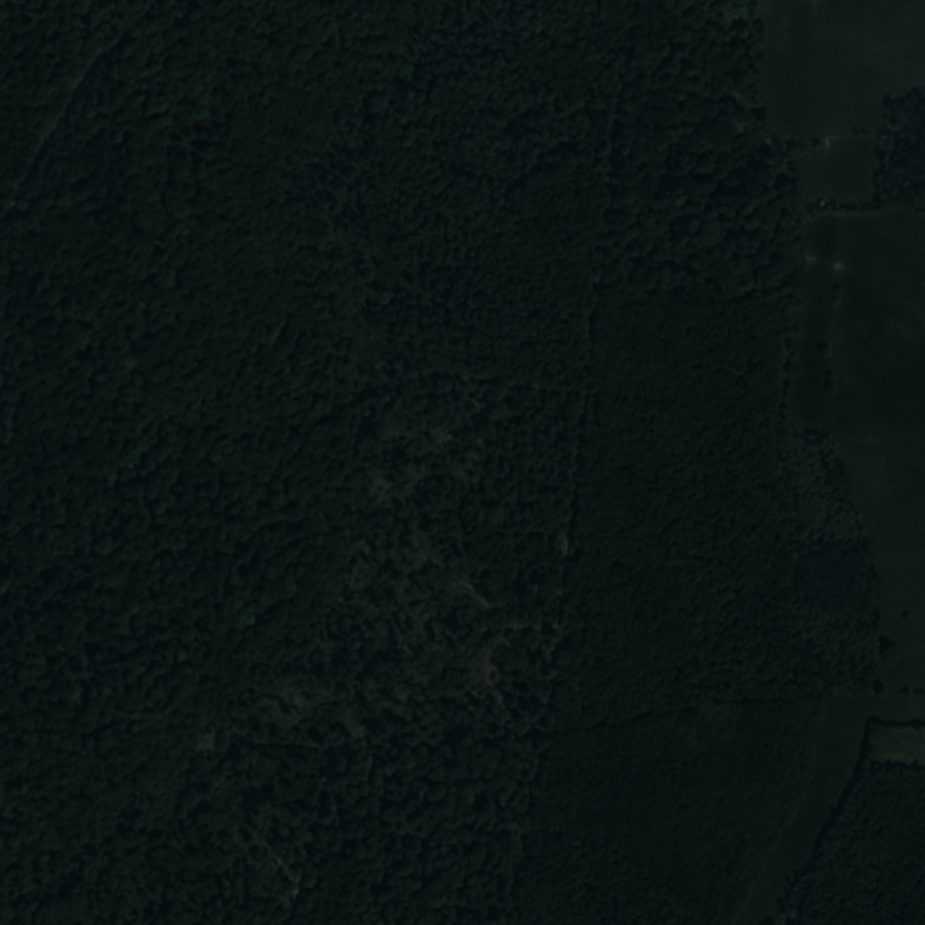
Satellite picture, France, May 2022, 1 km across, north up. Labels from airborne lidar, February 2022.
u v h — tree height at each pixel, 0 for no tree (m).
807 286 0
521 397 26
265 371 26
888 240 0
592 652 13
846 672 6
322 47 30
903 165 35
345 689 34
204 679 27
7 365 25
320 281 29
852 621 19
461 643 32
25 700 29
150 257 26
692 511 22
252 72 28
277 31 29
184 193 31
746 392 19
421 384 30
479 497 10
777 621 23
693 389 18
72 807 27
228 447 28
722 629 21
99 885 22
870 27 0
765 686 24
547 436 24
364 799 33
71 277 30
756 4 16
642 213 30
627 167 26
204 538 27
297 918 22
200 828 26
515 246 24
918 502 0
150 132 28
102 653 30
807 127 0
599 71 30
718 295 32
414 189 31
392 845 29
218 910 25
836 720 0
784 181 22
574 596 15
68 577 29
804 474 22
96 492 27
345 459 29
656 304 16
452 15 20
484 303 20
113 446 25
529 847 19
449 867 30
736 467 22
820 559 38
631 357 15
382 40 25
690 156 18
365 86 27
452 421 28
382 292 25
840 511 20
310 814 32
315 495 31
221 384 27
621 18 25
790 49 0
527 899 19
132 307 29
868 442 0
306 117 25
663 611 22
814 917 15
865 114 0
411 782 29
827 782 0
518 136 27
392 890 26
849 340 0
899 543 0
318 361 26
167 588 31
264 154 28
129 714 28
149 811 27
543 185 25
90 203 34
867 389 0
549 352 22
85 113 30
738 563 24
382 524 28
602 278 24
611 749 16
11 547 30
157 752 26
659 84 27
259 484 27
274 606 25
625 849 16
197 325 26
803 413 0
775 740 13
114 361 32
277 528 29
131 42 29
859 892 14
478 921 29
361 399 30
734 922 9
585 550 14
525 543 11
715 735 18
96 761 28
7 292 24
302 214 25
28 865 27
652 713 15
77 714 26
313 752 5
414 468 30
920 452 0
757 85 25
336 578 26
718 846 16
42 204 29
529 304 21
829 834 11
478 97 28
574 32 27
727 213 32
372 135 29
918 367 0
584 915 20
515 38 28
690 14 29
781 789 15
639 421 20
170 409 28
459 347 15
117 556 32
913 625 0
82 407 29
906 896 21
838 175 0
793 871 0
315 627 24
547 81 30
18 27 27
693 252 33
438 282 17
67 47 29
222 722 22
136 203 32
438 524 12
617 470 16
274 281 29
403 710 35
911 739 0
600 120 26
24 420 28
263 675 24
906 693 8
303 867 27
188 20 29
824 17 0
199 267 28
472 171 25
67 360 31
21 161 24
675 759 15
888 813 16
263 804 34
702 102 31
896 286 0
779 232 33
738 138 10
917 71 0
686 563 20
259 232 28
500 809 31
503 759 31
